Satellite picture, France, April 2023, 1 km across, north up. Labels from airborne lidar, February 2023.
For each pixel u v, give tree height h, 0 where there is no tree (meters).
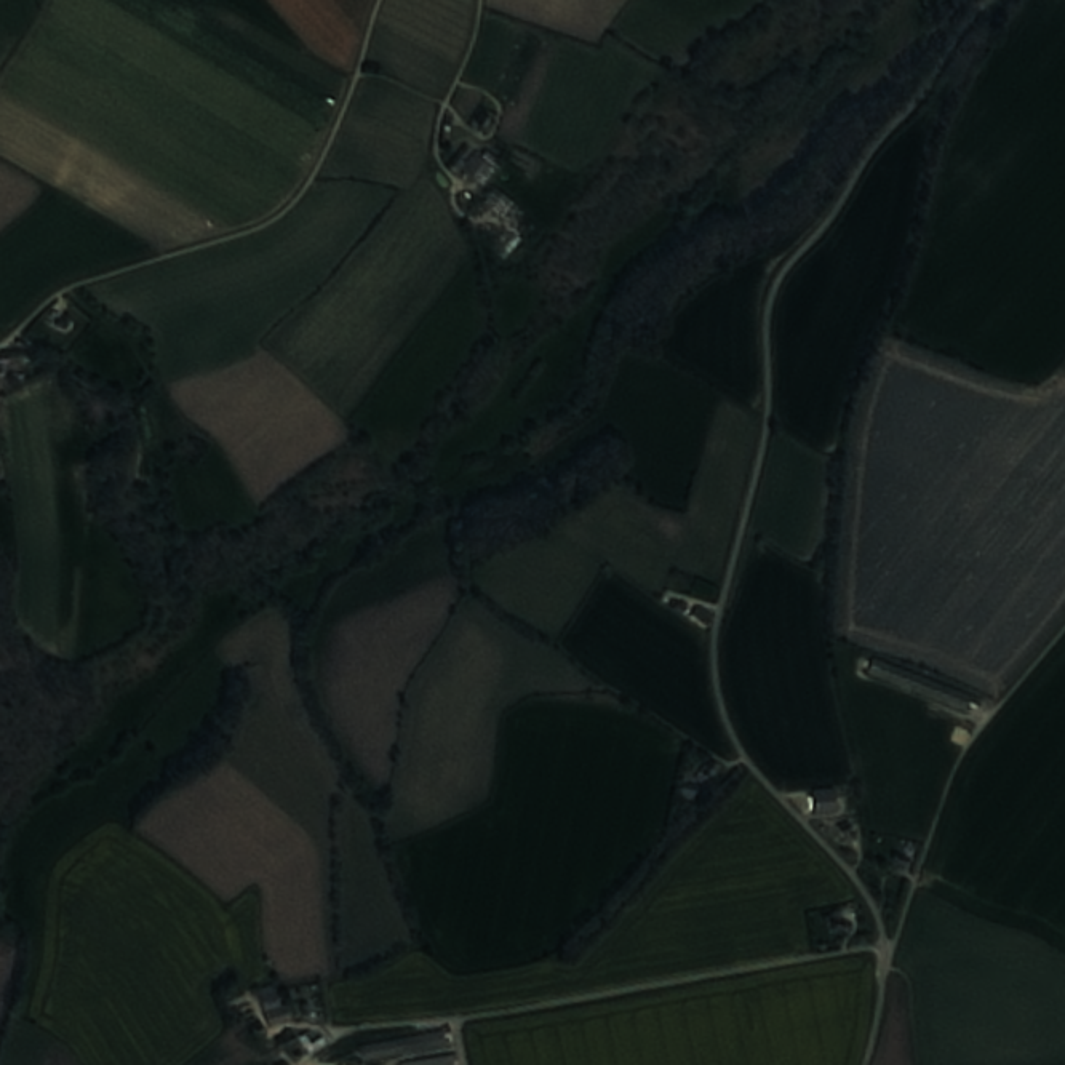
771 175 0
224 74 0
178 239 0
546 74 0
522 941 0
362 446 16
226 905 0
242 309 0
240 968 0
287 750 0
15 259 0
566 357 0
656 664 0
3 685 16
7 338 0
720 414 0
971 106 0
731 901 0
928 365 0
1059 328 0
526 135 0
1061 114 0
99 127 0
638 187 18
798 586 0
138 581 15
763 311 0
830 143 16
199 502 0
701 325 0
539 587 0
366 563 15
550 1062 0
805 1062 0
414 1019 0
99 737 0
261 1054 0
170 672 0
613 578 0
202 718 0
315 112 0
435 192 0
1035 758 0
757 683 0
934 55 16
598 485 15
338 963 7
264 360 0
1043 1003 0
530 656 0
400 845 0
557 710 0
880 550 0
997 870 0
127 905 0
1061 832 0
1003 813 0
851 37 7
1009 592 0
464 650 0
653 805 0
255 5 0
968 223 0
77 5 0
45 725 17
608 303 10
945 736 0
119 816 0
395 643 0
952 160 0
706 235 29
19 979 13
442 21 0
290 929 0
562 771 0
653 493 0
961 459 0
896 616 0
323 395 0
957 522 0
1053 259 0
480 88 0
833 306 0
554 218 0
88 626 0
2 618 14
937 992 0
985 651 0
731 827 0
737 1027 0
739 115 15
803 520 0
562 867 0
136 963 0
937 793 0
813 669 0
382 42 0
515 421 0
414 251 0
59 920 0
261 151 0
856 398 9
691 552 0
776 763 0
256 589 13
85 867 0
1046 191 0
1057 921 0
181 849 0
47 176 0
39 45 0
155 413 0
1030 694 0
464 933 0
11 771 18
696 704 0
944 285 0
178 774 20
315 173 0
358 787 6
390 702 0
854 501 0
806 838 0
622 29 0
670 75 12
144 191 0
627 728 0
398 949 8
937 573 0
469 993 0
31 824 0
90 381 13
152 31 0
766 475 0
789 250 0
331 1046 0
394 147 0
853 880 0
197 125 0
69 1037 0
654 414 0
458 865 0
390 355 0
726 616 7
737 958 0
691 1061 0
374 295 0
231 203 0
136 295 0
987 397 0
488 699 0
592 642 0
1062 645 0
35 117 0
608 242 10
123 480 19
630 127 9
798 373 0
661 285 18
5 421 0
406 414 0
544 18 0
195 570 17
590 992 0
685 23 0
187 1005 0
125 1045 0
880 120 16
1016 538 0
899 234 0
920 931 0
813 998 0
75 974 0
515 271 11
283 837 0
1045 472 0
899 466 0
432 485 13
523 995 0
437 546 0
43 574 0
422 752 0
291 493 13
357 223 0
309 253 0
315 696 15
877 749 0
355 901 0
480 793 0
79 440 0
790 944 0
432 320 0
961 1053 0
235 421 0
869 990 0
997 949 0
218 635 0
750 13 7
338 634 0
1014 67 0
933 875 0
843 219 0
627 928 0
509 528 15
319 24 0
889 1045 0
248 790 0
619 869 0
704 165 12
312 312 0
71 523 0
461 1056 0
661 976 0
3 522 0
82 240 0
